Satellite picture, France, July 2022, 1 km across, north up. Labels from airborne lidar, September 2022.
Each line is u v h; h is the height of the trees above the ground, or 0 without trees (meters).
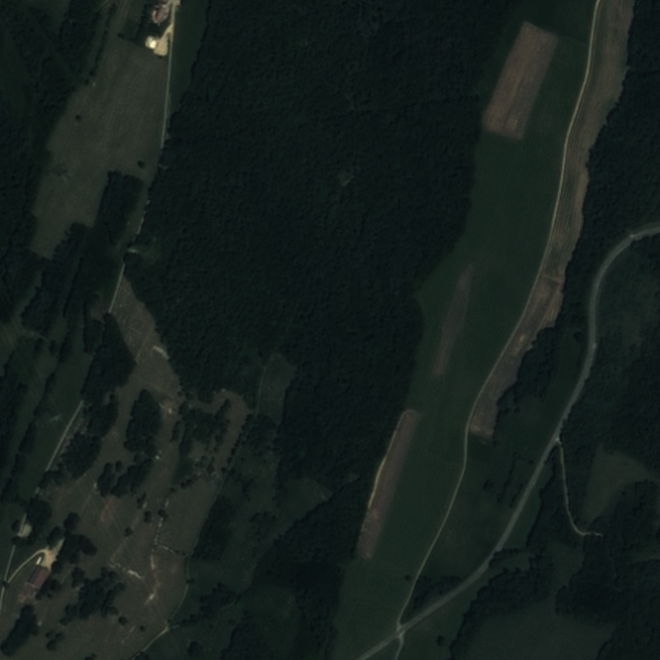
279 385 0
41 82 14
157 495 0
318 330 22
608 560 12
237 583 0
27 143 16
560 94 0
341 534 22
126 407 0
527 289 0
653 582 7
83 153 0
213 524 7
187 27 0
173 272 19
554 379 13
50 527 0
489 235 0
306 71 13
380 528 0
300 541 24
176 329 9
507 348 0
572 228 0
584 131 0
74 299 19
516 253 0
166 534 0
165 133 0
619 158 15
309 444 20
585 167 0
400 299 17
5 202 19
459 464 0
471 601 0
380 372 8
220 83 15
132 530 9
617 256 0
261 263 14
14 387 19
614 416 7
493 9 22
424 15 20
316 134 14
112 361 15
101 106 0
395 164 16
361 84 10
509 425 0
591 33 0
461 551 0
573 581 9
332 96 15
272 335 15
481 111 14
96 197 0
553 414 0
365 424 21
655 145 11
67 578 0
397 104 8
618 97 0
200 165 16
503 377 0
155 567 0
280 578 8
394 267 19
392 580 0
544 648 0
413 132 21
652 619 11
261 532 8
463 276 0
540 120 0
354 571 0
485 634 0
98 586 18
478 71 22
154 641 0
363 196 15
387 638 0
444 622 0
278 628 0
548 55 0
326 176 11
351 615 0
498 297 0
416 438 0
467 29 17
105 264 7
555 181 0
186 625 12
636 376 6
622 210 14
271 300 10
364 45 16
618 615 12
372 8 20
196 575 0
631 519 16
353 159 15
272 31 17
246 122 12
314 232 18
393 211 11
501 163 0
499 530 0
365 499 12
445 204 20
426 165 22
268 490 0
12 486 21
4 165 18
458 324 0
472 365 0
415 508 0
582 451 11
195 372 15
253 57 19
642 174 14
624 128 15
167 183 13
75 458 15
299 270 16
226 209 13
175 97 0
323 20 14
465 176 21
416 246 21
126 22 0
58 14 0
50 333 17
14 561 0
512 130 0
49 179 0
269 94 10
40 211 0
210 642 0
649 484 8
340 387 18
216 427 12
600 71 0
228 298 6
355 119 18
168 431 0
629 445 6
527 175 0
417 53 23
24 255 20
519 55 0
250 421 13
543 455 0
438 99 12
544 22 0
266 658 10
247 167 16
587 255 13
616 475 0
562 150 0
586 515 0
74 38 21
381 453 17
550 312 0
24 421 0
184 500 0
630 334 0
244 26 14
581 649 0
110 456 0
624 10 0
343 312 20
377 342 19
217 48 17
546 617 0
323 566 11
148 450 12
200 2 0
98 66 9
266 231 18
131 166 0
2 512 0
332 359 18
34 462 0
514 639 0
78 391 0
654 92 16
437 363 0
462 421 0
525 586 10
